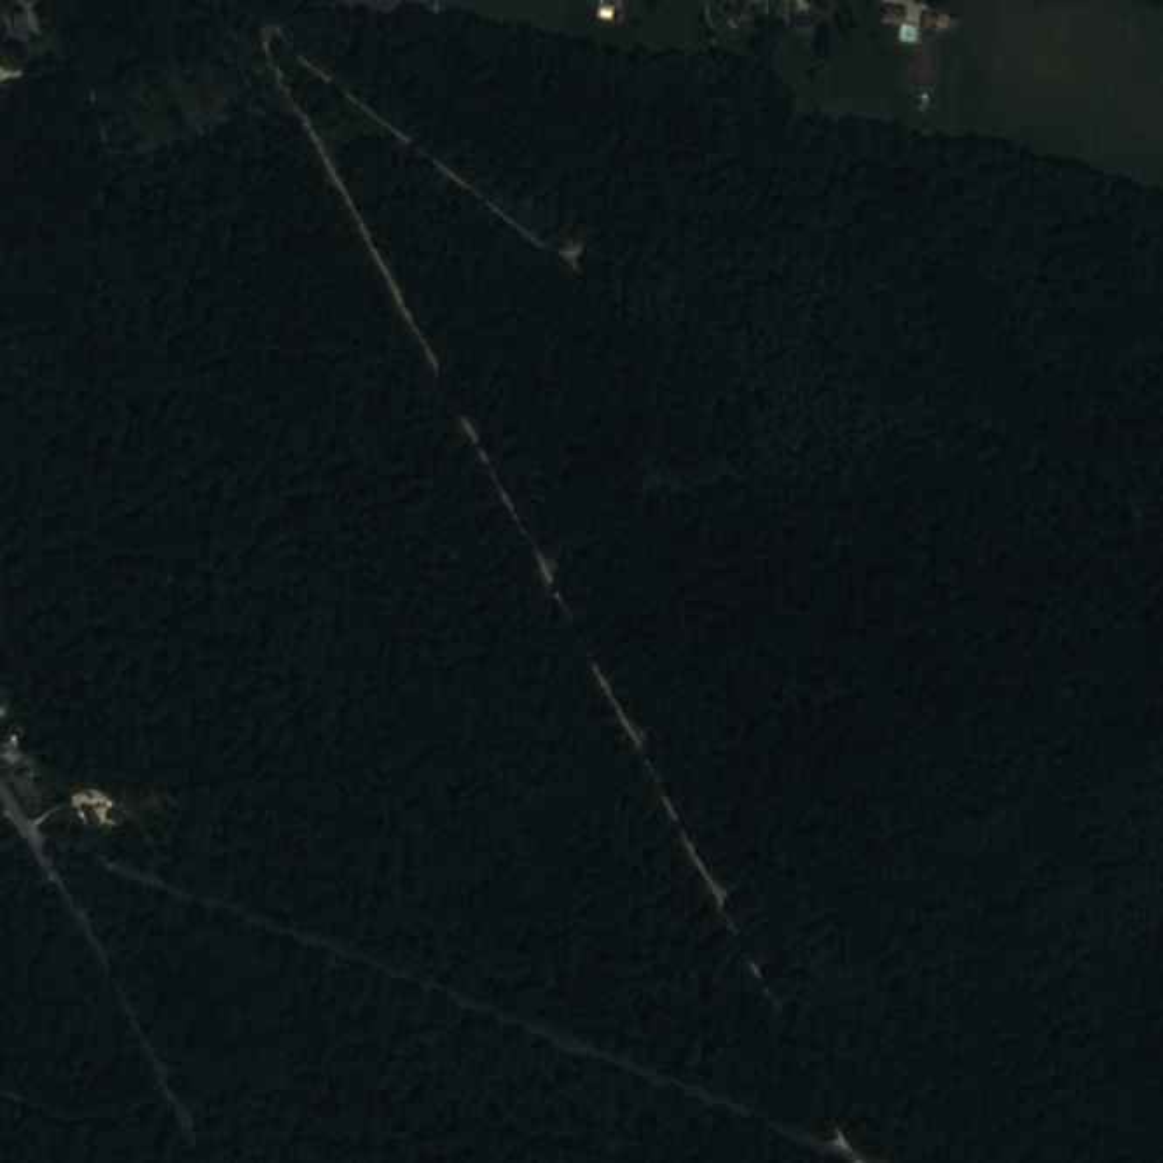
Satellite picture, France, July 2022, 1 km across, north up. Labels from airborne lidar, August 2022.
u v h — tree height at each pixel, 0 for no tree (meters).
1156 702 26
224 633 22
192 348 26
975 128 0
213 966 27
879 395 25
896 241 26
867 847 24
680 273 23
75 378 27
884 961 26
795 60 0
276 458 27
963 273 25
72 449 27
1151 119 0
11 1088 7
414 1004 16
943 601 30
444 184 19
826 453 21
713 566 28
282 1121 27
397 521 24
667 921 28
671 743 27
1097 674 27
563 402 26
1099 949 22
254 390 28
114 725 20
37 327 26
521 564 24
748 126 28
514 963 26
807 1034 20
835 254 28
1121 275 22
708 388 23
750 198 24
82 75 26
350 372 27
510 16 0
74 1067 27
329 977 24
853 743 29
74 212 30
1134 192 26
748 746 24
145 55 30
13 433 29
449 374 18
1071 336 18
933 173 24
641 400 25
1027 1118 22
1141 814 23
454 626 28
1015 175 23
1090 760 23
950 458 30
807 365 21
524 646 15
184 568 24
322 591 21
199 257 28
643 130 19
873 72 0
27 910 22
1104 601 26
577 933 26
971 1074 26
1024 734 27
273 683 23
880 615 30
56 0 17
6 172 28
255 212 25
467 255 24
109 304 24
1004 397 29
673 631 29
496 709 20
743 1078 22
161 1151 22
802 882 18
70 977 25
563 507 21
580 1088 24
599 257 18
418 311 26
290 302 26
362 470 14
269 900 27
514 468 24
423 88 20
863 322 16
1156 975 29
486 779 22
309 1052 17
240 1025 22
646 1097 23
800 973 20
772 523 29
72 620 30
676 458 26
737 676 28
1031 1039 26
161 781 26
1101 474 25
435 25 21
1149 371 15
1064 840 25
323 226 28
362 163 26
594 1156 25
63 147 27
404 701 27
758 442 23
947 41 0
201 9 18
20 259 25
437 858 26
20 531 22
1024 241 26
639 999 17
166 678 28
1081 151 0
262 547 13
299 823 21
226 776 24
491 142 21
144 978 25
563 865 23
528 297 23
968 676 27
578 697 23
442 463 22
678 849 23
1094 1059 27
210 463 25
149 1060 16
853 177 25
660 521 25
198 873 23
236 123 25
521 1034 20
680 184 23
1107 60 0
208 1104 24
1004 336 23
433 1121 26
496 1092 6
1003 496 30
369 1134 27
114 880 17
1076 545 27
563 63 22
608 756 28
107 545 16
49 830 9
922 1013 25
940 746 26
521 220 18
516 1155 23
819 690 26
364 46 21
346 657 22
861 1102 24
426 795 23
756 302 22
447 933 25
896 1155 20
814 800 26
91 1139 21
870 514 30
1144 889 20
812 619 30
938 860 23
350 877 22
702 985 6
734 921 18
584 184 21
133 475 25
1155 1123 23
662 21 0
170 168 22
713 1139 30
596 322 31
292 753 30
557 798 24
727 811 23
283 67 22
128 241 29
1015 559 27
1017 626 29
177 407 21
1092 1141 20
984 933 24
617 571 28
